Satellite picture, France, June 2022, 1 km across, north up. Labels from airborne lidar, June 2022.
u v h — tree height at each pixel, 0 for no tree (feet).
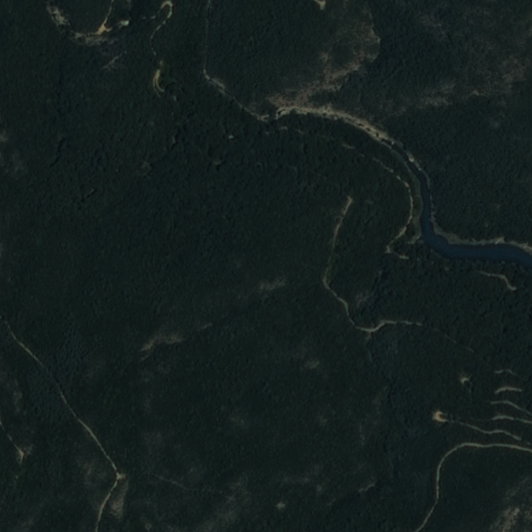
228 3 21
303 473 26
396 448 17
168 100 43
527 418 22
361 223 53
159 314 33
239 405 25
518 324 58
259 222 35
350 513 22
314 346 17
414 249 65
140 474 21
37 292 19
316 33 26
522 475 21
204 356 20
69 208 70
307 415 21
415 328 29
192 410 44
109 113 38
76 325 22
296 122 32
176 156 57
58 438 30
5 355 22
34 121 50
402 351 27
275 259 24
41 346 25
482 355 50
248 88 28
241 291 31
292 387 23
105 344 22
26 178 36
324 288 49
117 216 41
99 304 43
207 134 47
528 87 27
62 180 48
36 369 22
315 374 27
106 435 20
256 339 19
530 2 22
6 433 21
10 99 48
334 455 28
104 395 41
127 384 26
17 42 40
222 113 63
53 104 66
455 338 38
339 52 22
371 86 24
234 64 32
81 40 41
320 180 31
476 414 37
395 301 42
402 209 30
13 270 18
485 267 50
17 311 33
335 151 41
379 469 28
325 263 42
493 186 35
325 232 27
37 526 22
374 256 48
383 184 46
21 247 32
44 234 44
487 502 20
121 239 35
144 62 31
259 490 28
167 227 54
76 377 31
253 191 46
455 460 20
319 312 29
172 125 41
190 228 68
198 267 23
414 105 28
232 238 60
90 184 34
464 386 38
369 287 30
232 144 68
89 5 17
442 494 21
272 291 20
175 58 28
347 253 48
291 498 22
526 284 58
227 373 38
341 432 25
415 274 52
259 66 26
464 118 36
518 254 0
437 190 25
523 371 58
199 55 46
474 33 23
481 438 22
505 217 35
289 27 24
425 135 53
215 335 26
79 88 25
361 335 21
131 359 38
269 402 30
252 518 20
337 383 27
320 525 39
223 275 24
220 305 23
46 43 38
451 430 24
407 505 27
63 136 59
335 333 34
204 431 28
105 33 27
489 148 23
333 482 35
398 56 45
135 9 26
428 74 34
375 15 23
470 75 23
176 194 53
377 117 27
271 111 21
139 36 26
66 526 27
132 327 26
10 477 32
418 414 29
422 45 26
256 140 60
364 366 20
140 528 24
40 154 36
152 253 35
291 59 26
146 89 39
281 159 62
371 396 29
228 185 52
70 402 29
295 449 18
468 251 0
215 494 22
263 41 26
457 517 23
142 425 18
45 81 63
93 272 30
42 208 49
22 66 51
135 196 49
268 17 30
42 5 35
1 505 21
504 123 18
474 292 58
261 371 28
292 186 53
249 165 44
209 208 64
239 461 21
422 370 36
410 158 0
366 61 20
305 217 32
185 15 40
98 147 39
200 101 52
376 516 32
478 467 21
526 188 26
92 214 49
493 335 31
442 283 60
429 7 21
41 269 21
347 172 55
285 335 23
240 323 23
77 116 25
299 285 43
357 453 28
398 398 25
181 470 20
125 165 52
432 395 44
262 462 21
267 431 30
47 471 52
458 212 35
